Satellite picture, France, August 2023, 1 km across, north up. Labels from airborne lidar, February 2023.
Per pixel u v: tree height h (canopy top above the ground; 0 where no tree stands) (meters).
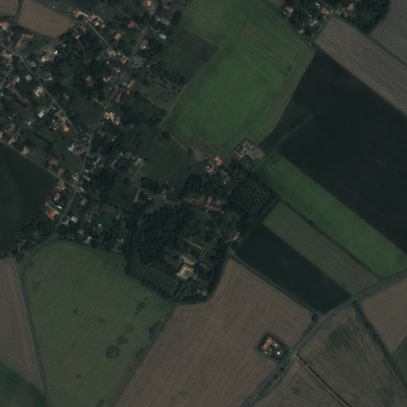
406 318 0
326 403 0
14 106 0
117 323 0
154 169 0
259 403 0
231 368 0
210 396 0
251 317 0
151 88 0
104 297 0
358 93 0
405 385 0
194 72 0
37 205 0
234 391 0
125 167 13
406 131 0
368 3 6
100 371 0
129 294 0
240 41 0
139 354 0
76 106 0
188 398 0
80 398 0
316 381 0
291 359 0
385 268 0
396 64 0
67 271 0
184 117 0
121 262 0
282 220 0
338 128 0
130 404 0
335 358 0
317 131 0
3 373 0
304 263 0
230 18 0
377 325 0
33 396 0
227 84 0
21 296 0
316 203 0
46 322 0
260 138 0
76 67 0
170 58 0
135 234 9
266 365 0
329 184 0
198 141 0
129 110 7
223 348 0
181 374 0
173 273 16
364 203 0
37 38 0
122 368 0
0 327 0
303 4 7
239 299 0
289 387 0
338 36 0
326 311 0
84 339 0
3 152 0
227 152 0
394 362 0
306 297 0
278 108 0
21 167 0
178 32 0
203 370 0
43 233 20
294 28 0
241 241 0
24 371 0
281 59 0
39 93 0
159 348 0
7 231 0
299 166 0
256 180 16
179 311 0
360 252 0
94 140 6
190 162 0
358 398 0
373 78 0
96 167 0
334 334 0
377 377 0
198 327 0
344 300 0
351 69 0
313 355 0
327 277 0
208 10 0
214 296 0
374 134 0
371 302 0
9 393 0
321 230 0
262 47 0
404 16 0
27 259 0
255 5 0
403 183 0
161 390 0
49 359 0
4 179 0
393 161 0
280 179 0
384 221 0
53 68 7
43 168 0
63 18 0
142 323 0
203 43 0
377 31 0
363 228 0
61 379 0
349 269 0
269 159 0
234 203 12
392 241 0
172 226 28
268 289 0
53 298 0
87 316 0
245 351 0
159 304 0
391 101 0
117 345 0
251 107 0
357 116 0
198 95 0
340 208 0
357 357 0
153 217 21
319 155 0
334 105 0
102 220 0
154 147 0
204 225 19
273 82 0
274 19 0
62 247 0
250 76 0
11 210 0
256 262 0
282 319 0
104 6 0
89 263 0
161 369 0
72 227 12
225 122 0
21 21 0
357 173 0
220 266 11
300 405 0
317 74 0
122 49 13
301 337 0
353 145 0
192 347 0
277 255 0
